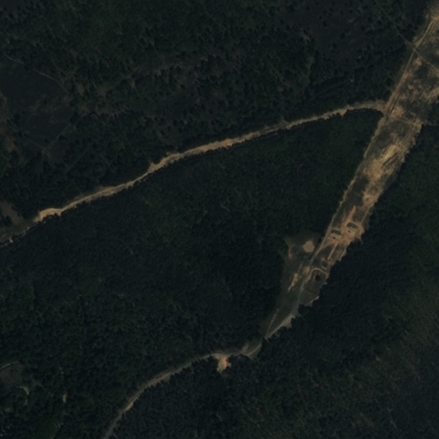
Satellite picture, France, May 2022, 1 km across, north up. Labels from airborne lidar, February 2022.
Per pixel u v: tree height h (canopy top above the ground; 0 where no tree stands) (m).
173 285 20
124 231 17
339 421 23
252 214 15
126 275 23
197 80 0
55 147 0
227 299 26
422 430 22
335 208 11
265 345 19
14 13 0
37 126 0
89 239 19
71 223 17
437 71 0
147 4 21
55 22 21
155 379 0
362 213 0
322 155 16
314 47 13
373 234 13
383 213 13
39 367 21
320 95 17
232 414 20
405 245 23
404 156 0
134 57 15
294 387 23
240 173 14
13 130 0
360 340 31
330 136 13
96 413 23
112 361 27
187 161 18
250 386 18
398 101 0
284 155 13
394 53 13
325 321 19
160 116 0
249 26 0
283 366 14
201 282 26
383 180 0
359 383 26
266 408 22
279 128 0
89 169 19
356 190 0
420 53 0
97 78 18
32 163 17
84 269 24
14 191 23
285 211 17
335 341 22
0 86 0
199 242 19
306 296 0
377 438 24
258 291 25
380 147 0
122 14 21
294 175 19
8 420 24
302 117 10
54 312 25
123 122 17
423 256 28
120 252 21
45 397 20
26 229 0
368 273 21
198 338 23
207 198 17
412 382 26
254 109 14
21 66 0
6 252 17
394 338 30
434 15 0
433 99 0
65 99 0
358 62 13
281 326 0
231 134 17
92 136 15
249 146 18
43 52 20
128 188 0
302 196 18
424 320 23
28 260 20
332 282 20
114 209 22
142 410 20
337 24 0
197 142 17
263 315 22
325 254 0
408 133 0
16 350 28
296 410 21
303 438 22
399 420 26
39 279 24
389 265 21
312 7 0
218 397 10
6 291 24
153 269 27
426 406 21
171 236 20
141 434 19
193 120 0
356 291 18
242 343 16
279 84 15
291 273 0
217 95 0
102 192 0
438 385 22
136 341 22
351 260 21
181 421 22
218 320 25
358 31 0
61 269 21
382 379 27
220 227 17
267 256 23
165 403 23
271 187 21
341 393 20
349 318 24
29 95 0
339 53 0
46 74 0
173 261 20
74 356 20
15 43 21
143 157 17
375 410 27
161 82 17
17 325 29
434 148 14
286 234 20
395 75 10
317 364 20
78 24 23
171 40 17
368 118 16
